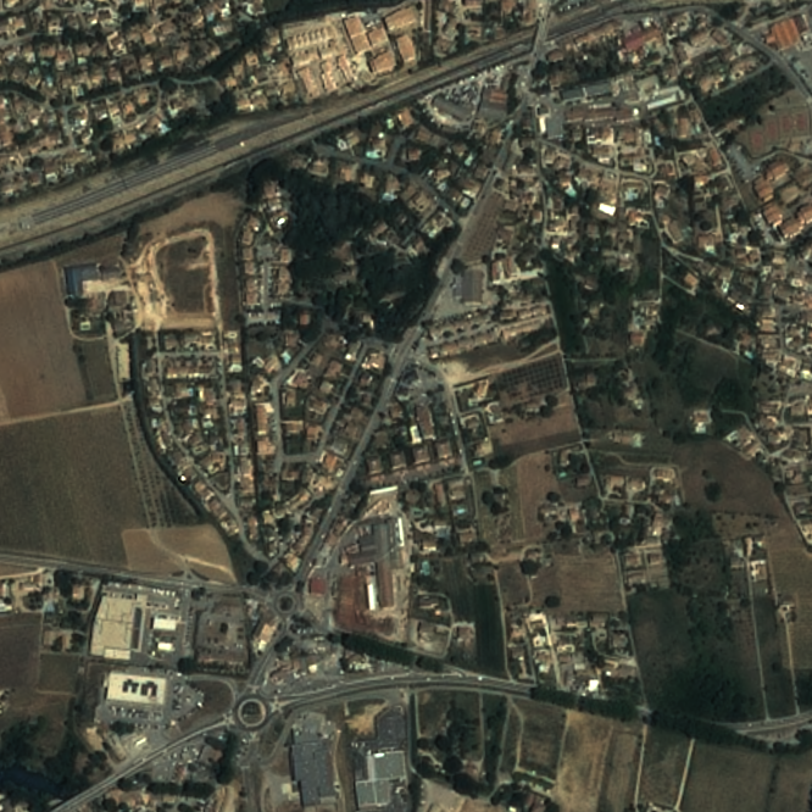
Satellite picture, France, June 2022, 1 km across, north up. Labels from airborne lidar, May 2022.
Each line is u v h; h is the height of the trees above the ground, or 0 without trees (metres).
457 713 11
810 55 0
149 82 10
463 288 0
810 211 0
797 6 6
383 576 0
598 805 0
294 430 0
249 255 0
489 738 0
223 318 0
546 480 0
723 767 0
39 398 0
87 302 12
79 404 0
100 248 0
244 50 12
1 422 0
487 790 7
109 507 0
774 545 0
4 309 0
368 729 0
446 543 14
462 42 6
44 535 0
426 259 11
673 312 7
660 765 0
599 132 0
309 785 0
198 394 8
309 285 11
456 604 0
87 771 12
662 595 0
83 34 9
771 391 6
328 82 0
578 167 7
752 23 7
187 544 0
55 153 0
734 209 6
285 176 16
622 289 6
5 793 15
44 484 0
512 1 0
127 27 9
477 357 0
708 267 0
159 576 0
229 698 0
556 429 0
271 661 0
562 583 0
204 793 22
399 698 0
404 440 7
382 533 0
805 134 0
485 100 0
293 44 0
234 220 0
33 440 0
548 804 12
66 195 0
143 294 0
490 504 13
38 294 0
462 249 0
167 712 0
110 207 0
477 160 6
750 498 0
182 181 0
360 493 11
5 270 12
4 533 0
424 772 14
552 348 0
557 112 0
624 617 11
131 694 0
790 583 0
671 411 0
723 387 10
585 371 8
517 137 6
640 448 0
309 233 16
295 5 13
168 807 6
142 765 0
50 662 0
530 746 0
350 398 7
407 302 9
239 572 0
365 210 10
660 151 10
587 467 10
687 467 0
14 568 0
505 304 6
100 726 0
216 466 9
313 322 10
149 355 5
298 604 0
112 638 0
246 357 9
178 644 0
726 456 0
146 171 0
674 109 0
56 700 0
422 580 12
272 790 0
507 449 0
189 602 0
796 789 0
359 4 15
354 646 26
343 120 0
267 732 0
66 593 11
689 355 7
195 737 0
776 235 8
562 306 0
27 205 0
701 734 25
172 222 0
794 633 0
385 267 17
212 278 0
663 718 21
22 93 10
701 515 8
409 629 0
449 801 0
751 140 0
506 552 0
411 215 11
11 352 0
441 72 0
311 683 0
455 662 9
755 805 0
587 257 14
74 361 0
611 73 9
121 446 0
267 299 0
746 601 10
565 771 0
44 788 0
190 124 16
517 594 0
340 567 0
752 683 0
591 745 0
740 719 14
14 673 0
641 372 0
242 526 0
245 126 0
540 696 22
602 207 0
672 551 7
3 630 0
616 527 12
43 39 9
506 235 0
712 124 9
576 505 0
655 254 0
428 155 11
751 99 7
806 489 0
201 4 8
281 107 11
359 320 16
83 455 0
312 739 0
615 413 0
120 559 0
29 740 10
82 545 0
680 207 0
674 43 9
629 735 0
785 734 0
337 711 0
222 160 0
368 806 0
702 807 0
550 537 8
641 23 0
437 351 0
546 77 12
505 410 7
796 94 0
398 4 18
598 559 0
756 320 6
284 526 14
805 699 6
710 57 7
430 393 8
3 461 0
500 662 0
